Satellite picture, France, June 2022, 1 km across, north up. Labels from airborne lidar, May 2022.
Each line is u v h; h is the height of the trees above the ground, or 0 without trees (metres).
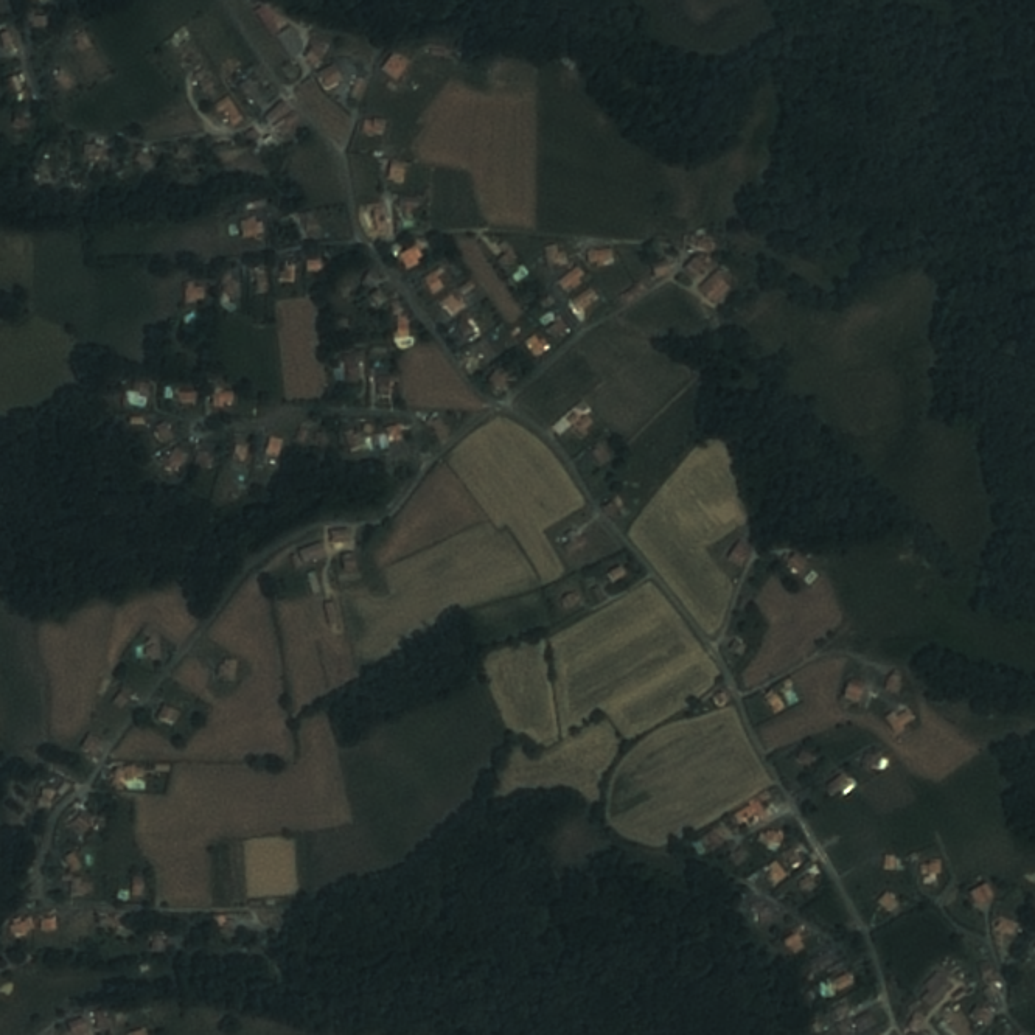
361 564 0
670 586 0
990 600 23
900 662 0
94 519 26
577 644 0
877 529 19
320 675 0
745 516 0
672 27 0
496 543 0
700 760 0
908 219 24
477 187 0
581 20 26
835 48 21
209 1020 0
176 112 0
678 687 0
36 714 0
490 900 17
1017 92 24
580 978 18
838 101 25
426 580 0
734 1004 19
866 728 0
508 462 0
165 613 0
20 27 14
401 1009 25
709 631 0
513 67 0
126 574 27
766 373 16
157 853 0
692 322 0
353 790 0
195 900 0
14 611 7
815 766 6
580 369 0
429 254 14
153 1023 0
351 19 14
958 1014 0
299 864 0
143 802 0
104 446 25
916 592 0
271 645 0
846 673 0
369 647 0
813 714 0
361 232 0
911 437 0
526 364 7
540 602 0
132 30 0
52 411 15
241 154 0
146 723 12
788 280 19
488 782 17
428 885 22
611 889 11
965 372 12
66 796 0
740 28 0
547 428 0
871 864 0
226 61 0
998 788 0
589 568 9
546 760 0
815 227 31
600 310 0
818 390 0
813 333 0
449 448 0
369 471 21
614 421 0
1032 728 0
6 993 0
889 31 16
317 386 0
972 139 18
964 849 0
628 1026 18
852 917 0
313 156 0
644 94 16
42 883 0
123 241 0
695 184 0
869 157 12
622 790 0
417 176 0
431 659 21
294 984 24
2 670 0
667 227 0
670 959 19
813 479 26
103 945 6
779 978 20
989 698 21
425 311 0
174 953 9
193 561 23
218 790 0
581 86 0
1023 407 21
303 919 16
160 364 16
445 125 0
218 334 16
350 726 15
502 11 29
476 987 24
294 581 0
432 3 26
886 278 19
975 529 0
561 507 0
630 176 0
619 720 0
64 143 10
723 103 23
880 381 0
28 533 22
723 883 18
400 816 0
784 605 0
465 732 0
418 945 19
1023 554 22
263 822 0
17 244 0
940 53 21
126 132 7
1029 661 0
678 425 0
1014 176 28
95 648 0
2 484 28
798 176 23
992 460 22
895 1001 0
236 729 0
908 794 0
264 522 19
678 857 10
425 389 0
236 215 6
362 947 19
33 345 0
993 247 26
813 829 0
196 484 13
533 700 0
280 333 0
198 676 0
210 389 22
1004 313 24
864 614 0
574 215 0
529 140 0
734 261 12
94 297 0
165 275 12
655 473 0
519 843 23
